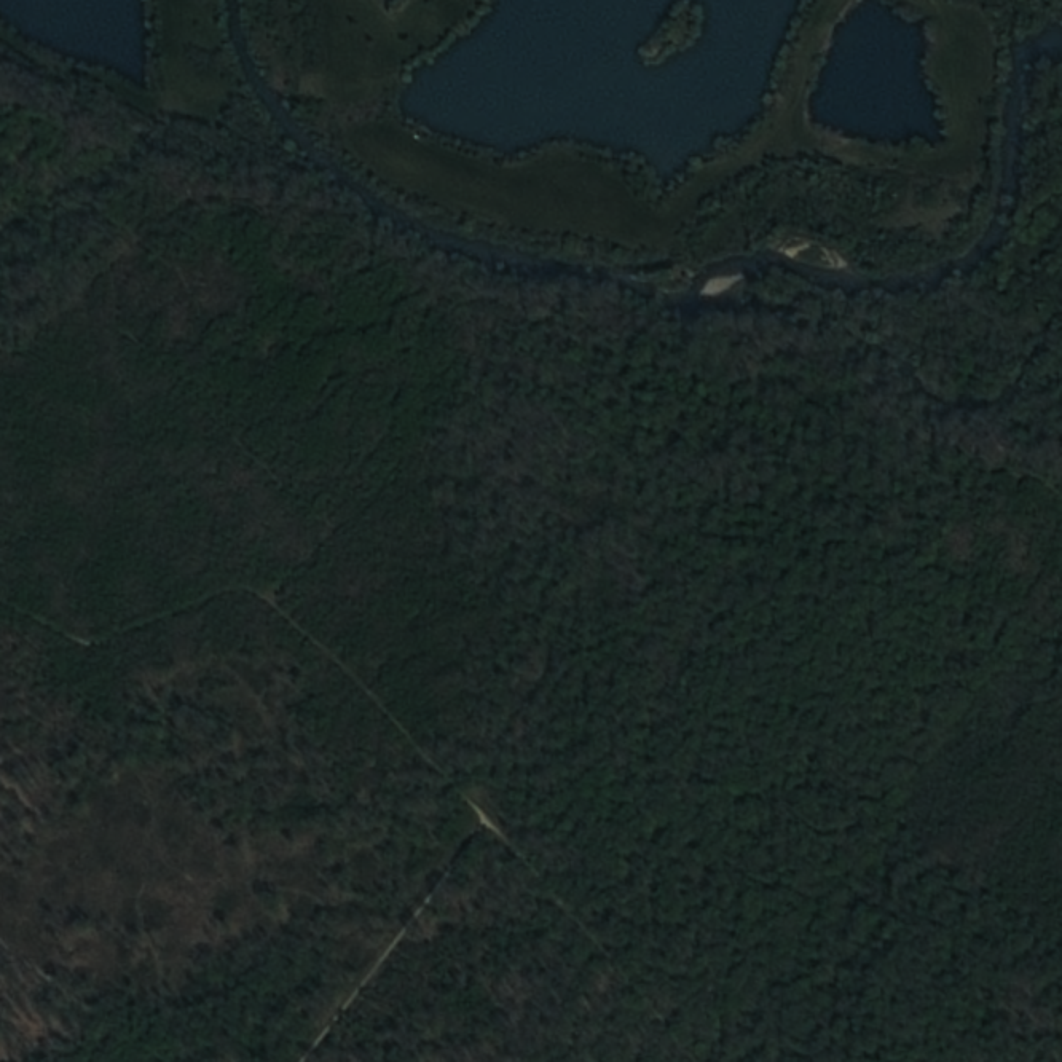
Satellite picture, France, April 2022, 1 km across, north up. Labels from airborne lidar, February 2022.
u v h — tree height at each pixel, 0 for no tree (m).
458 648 24
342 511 8
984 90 0
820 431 11
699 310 11
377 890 0
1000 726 21
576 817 21
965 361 14
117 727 28
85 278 33
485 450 25
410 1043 28
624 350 18
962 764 19
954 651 22
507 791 22
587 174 0
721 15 0
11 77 36
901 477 26
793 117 0
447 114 0
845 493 25
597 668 23
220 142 23
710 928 25
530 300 29
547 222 0
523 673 27
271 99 0
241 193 13
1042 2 16
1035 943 27
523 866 25
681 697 24
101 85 12
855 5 5
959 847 14
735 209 14
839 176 19
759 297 12
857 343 18
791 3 0
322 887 0
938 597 28
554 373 27
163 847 0
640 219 0
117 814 0
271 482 7
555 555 25
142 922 0
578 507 16
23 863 0
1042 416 27
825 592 27
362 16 0
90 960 0
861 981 22
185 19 0
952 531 25
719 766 26
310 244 13
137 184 26
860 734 20
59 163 23
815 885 24
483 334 20
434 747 25
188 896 0
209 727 31
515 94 0
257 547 0
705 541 24
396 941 0
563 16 0
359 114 0
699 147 0
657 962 24
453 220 7
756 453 24
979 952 26
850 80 0
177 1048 24
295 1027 29
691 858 25
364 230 24
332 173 9
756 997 28
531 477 28
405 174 0
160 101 0
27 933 0
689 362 22
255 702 0
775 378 28
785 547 23
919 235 9
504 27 0
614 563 27
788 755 22
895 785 26
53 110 30
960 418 23
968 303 24
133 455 12
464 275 29
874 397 9
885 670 25
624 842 26
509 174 0
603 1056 23
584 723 24
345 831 29
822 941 20
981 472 25
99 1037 28
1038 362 12
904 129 0
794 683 24
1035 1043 22
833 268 0
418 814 24
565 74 0
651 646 24
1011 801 12
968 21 0
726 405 18
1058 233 7
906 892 22
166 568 0
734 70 0
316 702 13
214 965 27
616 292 33
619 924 25
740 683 25
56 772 13
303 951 25
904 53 0
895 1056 23
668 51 9
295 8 8
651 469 27
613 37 0
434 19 0
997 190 12
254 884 0
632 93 0
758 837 22
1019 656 24
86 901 0
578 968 24
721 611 22
